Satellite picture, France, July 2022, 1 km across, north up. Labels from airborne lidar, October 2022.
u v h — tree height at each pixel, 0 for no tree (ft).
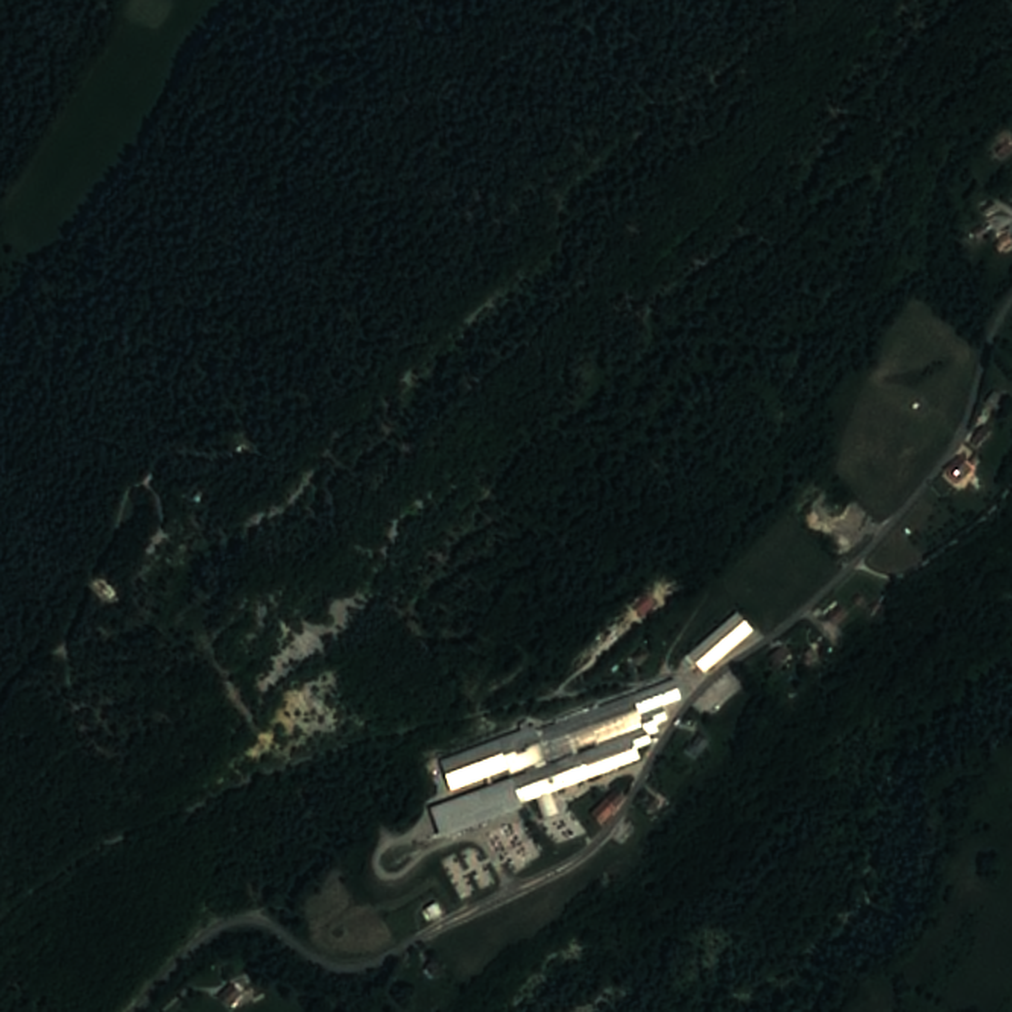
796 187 99
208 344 83
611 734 0
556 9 78
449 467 67
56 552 72
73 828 49
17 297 44
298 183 71
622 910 70
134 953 84
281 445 70
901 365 0
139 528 52
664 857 58
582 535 59
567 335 72
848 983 43
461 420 53
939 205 23
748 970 90
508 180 69
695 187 45
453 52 82
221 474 66
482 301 24
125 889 82
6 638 80
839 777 72
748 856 71
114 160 0
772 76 62
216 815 67
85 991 82
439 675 66
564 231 60
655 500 70
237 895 72
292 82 100
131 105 0
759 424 63
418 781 38
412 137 74
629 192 54
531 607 71
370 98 87
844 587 0
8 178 77
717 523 70
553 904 0
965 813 20
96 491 71
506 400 61
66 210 0
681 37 69
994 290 43
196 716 28
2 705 77
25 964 71
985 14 102
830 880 78
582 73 90
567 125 71
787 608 0
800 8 31
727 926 75
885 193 44
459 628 91
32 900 38
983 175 0
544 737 0
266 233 94
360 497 50
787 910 73
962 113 87
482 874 0
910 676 96
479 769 0
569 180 43
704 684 0
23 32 54
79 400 69
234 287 75
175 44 0
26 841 62
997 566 26
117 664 68
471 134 74
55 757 85
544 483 94
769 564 0
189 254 89
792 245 94
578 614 59
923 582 67
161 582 21
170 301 74
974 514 21
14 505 78
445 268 66
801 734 72
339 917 0
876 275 73
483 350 86
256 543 78
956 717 78
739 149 53
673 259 69
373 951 0
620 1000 21
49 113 52
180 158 83
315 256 58
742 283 84
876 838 85
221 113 87
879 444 0
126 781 54
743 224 91
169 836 70
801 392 44
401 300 58
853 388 0
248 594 33
